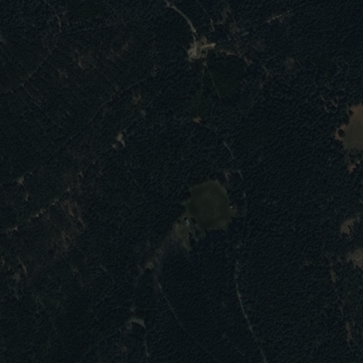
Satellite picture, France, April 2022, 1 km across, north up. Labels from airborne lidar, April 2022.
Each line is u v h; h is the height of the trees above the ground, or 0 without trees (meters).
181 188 30
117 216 19
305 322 28
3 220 24
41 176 27
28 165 23
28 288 20
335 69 7
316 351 17
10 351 22
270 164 32
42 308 22
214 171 25
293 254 25
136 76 24
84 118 21
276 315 23
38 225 24
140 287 29
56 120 19
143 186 27
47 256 26
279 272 23
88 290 25
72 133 24
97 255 29
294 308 20
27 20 25
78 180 24
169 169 24
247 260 25
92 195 31
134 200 25
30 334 23
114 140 22
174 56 21
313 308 23
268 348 14
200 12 22
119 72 17
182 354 26
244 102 27
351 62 24
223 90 8
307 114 11
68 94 21
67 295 26
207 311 23
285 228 21
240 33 0
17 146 19
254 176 28
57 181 27
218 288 24
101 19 5
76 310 25
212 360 22
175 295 29
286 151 27
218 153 25
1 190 22
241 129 31
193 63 9
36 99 11
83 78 17
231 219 0
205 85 12
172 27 27
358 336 21
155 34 22
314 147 21
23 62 19
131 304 29
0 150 21
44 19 15
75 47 21
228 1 31
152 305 28
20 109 19
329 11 24
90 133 29
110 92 21
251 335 24
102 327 27
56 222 24
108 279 33
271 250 23
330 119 20
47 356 22
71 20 10
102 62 14
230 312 24
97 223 27
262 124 21
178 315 23
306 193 24
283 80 9
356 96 29
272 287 26
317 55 8
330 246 22
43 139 20
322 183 20
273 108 18
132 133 24
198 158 30
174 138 30
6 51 18
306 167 25
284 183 23
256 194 29
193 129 36
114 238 28
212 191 0
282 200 21
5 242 23
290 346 24
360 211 21
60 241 25
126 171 26
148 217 25
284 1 27
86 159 25
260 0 28
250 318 15
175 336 24
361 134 0
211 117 25
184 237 0
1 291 22
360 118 0
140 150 23
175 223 17
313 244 20
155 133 26
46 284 19
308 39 25
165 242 20
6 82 23
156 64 22
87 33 21
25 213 25
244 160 24
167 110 25
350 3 24
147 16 20
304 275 24
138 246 29
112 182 26
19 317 20
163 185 27
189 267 27
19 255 23
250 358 21
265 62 23
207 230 0
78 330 25
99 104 21
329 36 23
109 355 28
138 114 23
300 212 21
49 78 21
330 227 25
